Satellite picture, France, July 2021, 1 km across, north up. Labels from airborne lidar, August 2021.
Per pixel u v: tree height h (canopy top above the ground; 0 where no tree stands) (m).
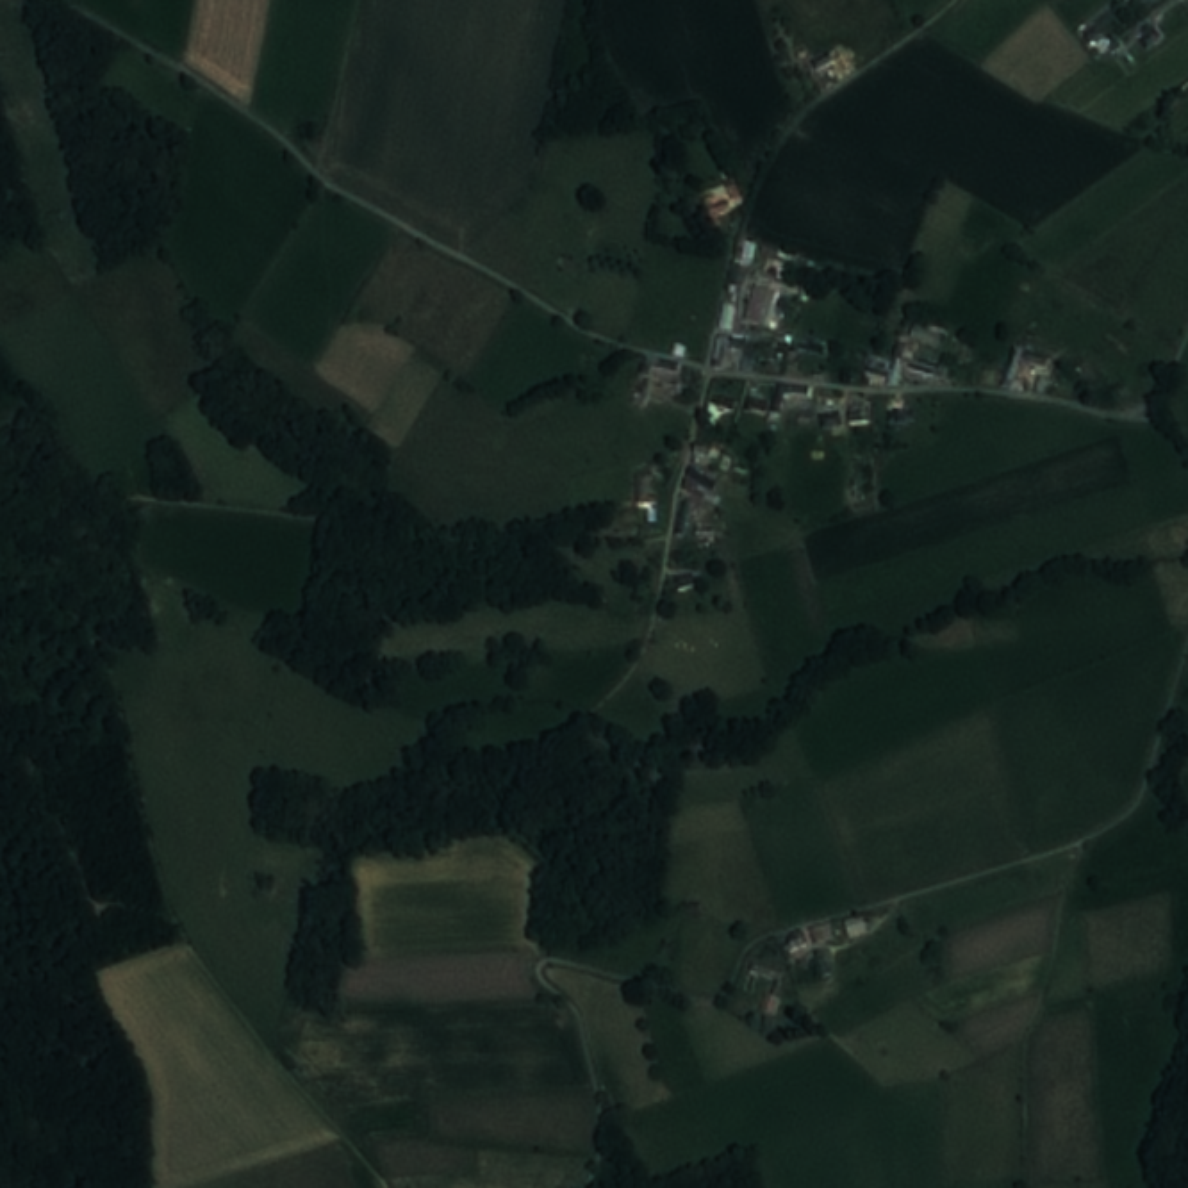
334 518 15
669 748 22
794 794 0
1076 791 0
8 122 16
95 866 10
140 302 0
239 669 0
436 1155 0
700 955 0
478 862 0
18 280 0
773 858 0
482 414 0
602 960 0
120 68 0
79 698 20
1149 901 0
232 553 0
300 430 22
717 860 0
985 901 0
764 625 0
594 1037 0
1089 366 0
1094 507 0
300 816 22
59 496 18
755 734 25
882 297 22
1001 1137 0
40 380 0
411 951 0
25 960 20
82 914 21
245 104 0
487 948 0
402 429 0
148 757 0
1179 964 0
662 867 19
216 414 21
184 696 0
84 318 0
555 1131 0
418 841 24
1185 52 0
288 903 0
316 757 0
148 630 15
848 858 0
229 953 0
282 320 0
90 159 22
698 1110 0
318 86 0
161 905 7
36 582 18
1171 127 8
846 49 0
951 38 0
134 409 0
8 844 10
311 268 0
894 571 0
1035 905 0
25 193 20
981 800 0
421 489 0
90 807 7
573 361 0
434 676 23
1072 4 0
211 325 11
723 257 9
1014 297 0
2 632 19
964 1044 0
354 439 9
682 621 0
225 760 0
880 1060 0
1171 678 0
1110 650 0
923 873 0
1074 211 0
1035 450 0
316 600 19
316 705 0
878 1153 0
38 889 22
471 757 19
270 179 0
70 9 18
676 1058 0
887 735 0
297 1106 0
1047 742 0
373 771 0
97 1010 23
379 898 0
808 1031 26
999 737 0
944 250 0
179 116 0
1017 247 9
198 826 0
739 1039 0
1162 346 0
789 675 0
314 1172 0
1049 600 0
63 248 0
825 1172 0
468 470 0
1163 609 0
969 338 12
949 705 0
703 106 13
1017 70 0
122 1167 24
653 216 10
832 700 0
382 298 0
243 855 0
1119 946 0
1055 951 0
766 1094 0
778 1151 0
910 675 0
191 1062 0
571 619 0
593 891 19
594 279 0
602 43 11
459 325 0
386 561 20
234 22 0
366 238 0
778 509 9
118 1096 26
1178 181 0
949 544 0
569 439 0
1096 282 0
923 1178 0
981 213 0
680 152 18
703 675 0
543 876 20
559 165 0
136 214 22
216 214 0
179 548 0
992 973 0
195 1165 0
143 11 0
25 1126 24
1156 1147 28
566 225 0
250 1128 0
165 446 16
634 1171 19
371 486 21
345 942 25
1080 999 0
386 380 0
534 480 0
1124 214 0
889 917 0
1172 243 0
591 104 11
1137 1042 0
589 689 0
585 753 26
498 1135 0
